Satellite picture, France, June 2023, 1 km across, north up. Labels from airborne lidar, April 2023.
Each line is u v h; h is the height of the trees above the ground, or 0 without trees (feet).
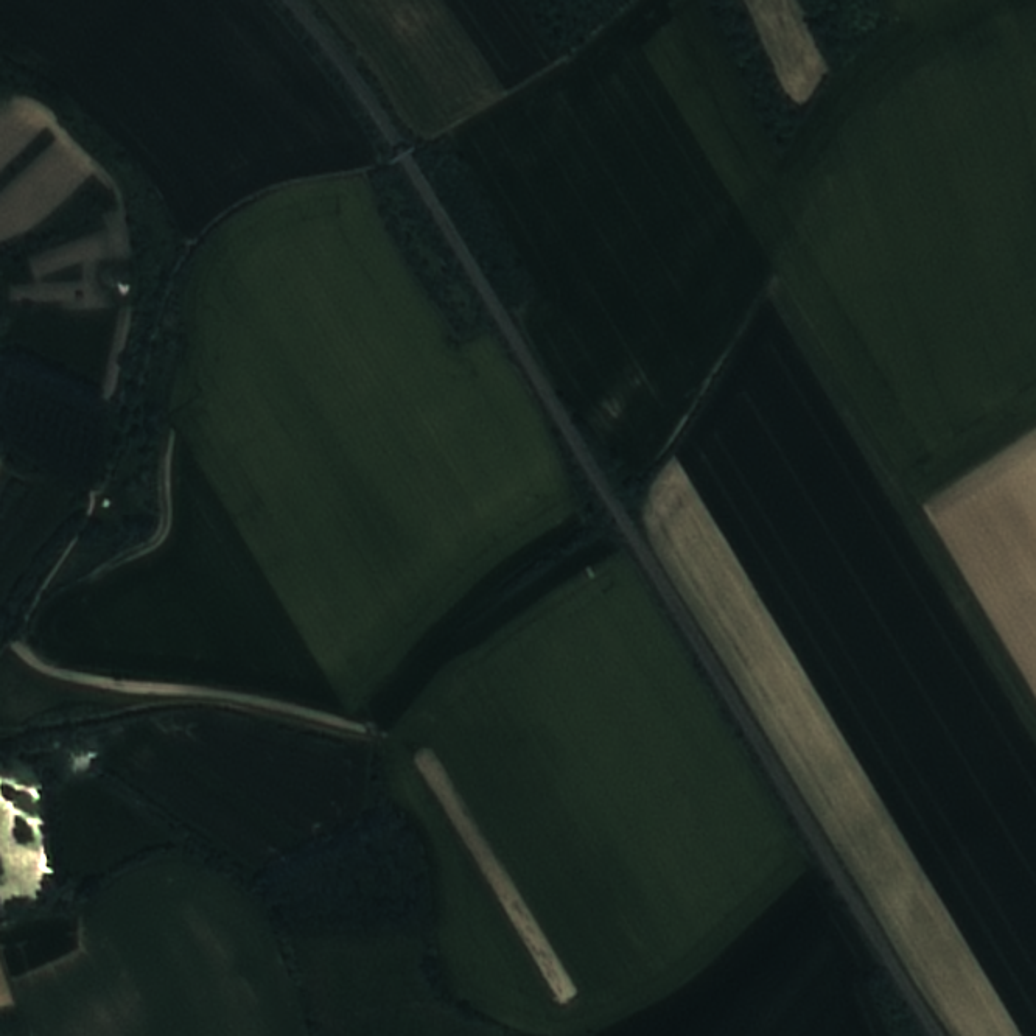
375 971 0
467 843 0
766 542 0
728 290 0
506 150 0
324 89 0
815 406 0
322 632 0
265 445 0
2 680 0
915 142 0
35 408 133
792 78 0
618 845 0
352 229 0
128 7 0
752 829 0
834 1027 0
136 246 26
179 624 0
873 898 0
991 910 0
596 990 0
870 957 0
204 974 0
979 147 0
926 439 0
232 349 0
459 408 0
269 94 0
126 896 0
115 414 23
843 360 0
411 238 35
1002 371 0
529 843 0
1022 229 0
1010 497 0
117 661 0
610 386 0
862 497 0
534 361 0
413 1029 0
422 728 0
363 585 0
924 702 0
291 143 0
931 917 0
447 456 0
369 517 0
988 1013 0
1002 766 0
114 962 0
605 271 0
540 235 0
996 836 0
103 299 0
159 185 0
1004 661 0
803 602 0
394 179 20
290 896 108
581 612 0
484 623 0
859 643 0
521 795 0
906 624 0
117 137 0
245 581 0
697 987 0
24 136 0
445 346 0
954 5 0
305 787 0
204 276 0
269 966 0
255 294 0
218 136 0
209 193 0
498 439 0
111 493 0
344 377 0
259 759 0
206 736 0
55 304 0
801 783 0
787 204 0
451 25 0
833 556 0
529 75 0
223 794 0
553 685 0
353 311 0
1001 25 0
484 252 17
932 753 0
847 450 0
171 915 0
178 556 0
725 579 0
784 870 0
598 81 0
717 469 0
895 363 0
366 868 109
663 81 0
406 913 111
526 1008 0
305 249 0
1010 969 0
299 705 0
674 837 0
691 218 0
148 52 0
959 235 0
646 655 0
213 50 0
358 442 0
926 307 0
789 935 0
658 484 0
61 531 19
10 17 0
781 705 0
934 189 0
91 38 0
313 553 0
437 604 0
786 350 0
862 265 0
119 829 0
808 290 0
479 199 23
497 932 0
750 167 0
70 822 0
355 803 0
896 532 0
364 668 0
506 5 0
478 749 0
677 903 0
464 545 0
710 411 0
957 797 0
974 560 0
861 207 0
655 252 0
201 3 0
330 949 0
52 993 0
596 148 0
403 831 104
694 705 0
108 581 0
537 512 0
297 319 0
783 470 0
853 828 0
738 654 0
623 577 0
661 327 0
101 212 0
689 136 0
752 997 0
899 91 0
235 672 0
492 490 0
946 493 0
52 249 0
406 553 0
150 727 0
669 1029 0
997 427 0
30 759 40
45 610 0
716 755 0
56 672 0
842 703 0
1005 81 0
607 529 26
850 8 37
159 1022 0
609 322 0
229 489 0
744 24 46
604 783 0
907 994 0
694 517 0
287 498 0
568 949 0
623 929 0
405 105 0
